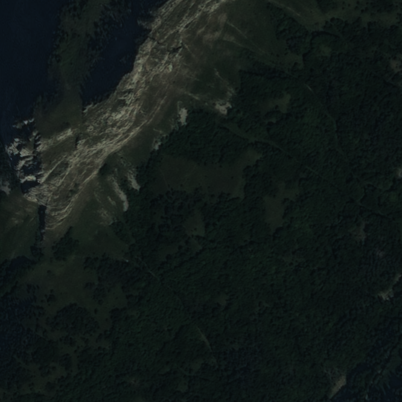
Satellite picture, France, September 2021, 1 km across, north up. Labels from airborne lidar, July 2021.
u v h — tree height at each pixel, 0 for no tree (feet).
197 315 70
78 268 0
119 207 0
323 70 52
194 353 83
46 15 45
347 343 99
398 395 33
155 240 42
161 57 0
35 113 0
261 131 87
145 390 48
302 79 64
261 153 28
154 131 0
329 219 80
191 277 95
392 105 82
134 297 60
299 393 62
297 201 31
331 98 97
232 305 75
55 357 48
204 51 0
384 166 33
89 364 54
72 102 0
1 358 77
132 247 45
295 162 73
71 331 66
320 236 61
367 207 72
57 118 0
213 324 91
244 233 25
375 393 58
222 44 0
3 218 0
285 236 88
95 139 0
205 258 55
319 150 77
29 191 0
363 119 76
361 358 79
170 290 64
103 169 42
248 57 24
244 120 71
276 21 25
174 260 58
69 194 41
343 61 58
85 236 0
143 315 81
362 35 54
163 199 60
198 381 67
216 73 0
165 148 49
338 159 60
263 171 30
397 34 88
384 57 43
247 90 53
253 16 0
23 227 0
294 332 80
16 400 27
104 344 0
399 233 56
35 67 52
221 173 0
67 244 44
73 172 0
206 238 38
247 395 59
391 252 93
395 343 60
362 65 99
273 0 0
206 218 34
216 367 40
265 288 97
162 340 95
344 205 79
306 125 76
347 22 40
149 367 88
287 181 17
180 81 0
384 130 102
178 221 82
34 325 0
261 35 0
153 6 33
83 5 26
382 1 49
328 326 104
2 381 73
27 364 53
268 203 0
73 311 64
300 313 53
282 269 85
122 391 98
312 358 77
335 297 70
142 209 52
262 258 84
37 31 33
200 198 33
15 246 0
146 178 62
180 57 31
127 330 61
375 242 115
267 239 64
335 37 33
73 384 48
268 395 42
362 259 86
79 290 0
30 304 43
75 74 0
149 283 51
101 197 0
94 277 0
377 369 50
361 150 30
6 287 56
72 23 0
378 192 77
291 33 58
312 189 103
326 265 61
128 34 0
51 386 56
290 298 80
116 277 50
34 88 0
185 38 0
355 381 88
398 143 60
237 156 82
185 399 77
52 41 29
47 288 0
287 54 22
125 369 75
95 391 107
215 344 44
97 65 0
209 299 47
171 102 0
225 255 86
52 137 29
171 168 0
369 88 67
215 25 0
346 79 85
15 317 76
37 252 55
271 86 59
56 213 0
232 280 70
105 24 30
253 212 72
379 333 85
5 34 0
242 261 75
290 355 68
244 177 25
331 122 77
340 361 73
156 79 0
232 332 76
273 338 96
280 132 76
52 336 0
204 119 68
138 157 0
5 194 30
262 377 79
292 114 32
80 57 0
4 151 20
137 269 43
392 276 80
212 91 0
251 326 82
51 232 0
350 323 74
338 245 97
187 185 0
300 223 87
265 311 52
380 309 92
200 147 71
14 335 59
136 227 41
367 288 69
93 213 0
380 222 60
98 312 41
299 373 52
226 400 52
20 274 38
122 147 0
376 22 27
